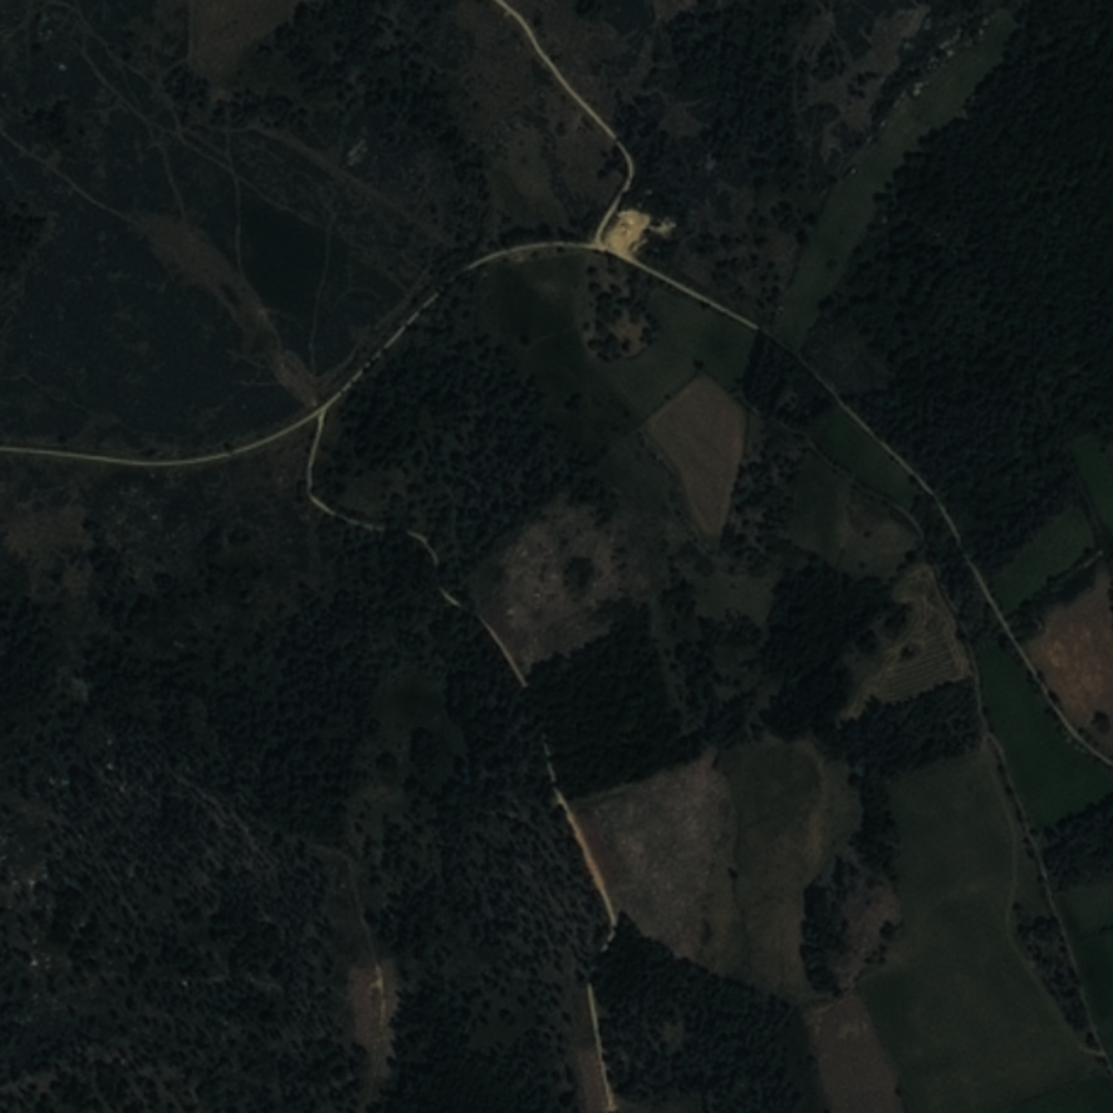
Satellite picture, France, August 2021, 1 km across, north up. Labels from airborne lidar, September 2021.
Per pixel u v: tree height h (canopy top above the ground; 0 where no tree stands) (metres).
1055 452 10
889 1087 0
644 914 0
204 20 0
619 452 0
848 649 11
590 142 0
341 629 17
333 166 0
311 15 7
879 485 0
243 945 16
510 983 15
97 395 0
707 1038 14
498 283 0
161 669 11
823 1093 0
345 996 0
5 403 0
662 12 0
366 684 15
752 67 11
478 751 17
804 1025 0
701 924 0
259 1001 16
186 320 0
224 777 13
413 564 16
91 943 15
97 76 0
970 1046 0
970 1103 0
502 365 11
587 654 9
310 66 8
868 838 13
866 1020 0
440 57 0
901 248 18
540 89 0
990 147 12
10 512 0
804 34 0
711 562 0
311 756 12
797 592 14
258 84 0
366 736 14
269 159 0
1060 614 0
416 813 9
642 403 0
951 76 0
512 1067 9
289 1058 8
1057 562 0
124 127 0
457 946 0
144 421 0
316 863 13
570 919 14
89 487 0
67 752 11
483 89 0
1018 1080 0
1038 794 0
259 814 11
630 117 13
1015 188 11
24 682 12
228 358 0
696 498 0
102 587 0
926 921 0
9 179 0
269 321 0
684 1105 0
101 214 0
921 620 0
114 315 0
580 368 0
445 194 0
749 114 18
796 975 0
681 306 0
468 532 10
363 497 0
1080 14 7
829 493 0
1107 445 9
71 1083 9
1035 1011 0
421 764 11
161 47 0
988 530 10
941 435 14
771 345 17
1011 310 12
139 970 13
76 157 0
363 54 16
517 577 0
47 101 0
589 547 0
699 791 0
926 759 12
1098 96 17
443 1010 15
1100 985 0
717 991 13
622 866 0
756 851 0
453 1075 17
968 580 14
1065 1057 0
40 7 0
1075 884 8
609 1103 0
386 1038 0
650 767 13
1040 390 7
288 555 0
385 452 8
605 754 13
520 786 17
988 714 7
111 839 14
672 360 0
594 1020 0
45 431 0
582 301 0
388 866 14
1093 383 12
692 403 0
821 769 0
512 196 0
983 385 19
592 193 0
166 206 0
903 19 0
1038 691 10
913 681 0
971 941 0
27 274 0
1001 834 0
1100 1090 0
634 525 0
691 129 0
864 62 0
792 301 0
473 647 10
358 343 0
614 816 0
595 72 0
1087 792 0
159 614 16
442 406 19
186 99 8
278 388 0
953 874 0
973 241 13
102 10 0
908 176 13
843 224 0
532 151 0
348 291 0
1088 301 15
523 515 9
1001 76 11
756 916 0
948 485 9
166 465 0
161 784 15
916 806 0
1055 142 17
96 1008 0
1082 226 12
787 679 10
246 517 0
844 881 12
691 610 6
